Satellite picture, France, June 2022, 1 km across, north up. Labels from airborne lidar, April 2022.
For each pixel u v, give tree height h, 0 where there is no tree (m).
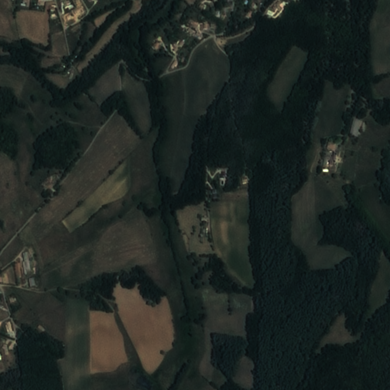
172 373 0
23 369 19
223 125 12
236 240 0
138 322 0
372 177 0
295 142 18
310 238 0
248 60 17
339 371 22
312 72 20
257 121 15
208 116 12
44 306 0
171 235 10
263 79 12
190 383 0
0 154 0
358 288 24
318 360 26
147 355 0
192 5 10
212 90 0
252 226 12
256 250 19
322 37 20
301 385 33
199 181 20
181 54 6
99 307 13
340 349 23
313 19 14
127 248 0
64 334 0
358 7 14
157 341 0
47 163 17
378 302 0
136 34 0
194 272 0
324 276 23
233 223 0
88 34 0
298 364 33
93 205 0
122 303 0
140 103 0
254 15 13
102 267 0
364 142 0
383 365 22
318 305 28
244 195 0
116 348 0
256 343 19
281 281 29
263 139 14
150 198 0
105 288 11
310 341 30
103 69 14
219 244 0
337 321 0
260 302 27
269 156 22
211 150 11
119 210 0
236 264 0
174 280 0
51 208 0
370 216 17
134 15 12
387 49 0
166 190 16
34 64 7
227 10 0
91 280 9
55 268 0
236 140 15
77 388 0
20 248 0
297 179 19
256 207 25
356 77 16
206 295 0
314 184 0
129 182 0
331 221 24
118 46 17
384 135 0
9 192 0
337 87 16
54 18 0
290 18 14
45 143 17
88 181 0
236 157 11
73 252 0
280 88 0
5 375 11
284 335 26
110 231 0
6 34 0
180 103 0
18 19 0
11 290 0
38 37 0
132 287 15
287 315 27
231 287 6
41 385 20
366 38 20
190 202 15
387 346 18
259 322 25
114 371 0
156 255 0
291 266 30
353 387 19
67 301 0
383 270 0
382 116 22
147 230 0
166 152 0
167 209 13
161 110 19
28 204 0
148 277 9
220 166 14
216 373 0
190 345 0
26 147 0
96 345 0
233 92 14
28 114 8
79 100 0
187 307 15
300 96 15
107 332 0
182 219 0
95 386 0
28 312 0
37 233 0
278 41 17
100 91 0
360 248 27
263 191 22
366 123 7
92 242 0
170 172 0
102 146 0
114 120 0
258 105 15
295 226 0
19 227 0
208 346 0
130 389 0
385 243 25
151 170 0
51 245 0
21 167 0
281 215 34
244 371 0
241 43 12
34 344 19
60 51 0
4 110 18
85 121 0
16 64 24
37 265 0
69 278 0
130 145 0
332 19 15
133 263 0
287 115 14
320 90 22
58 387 17
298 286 26
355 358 18
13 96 12
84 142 0
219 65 0
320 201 0
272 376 29
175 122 0
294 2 13
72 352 0
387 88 0
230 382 18
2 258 0
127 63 10
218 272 9
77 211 0
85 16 11
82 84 19
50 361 21
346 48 20
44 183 0
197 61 0
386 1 0
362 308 20
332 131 0
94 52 0
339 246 16
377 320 22
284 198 30
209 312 0
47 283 0
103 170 0
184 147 0
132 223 0
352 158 0
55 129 14
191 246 0
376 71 0
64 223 0
